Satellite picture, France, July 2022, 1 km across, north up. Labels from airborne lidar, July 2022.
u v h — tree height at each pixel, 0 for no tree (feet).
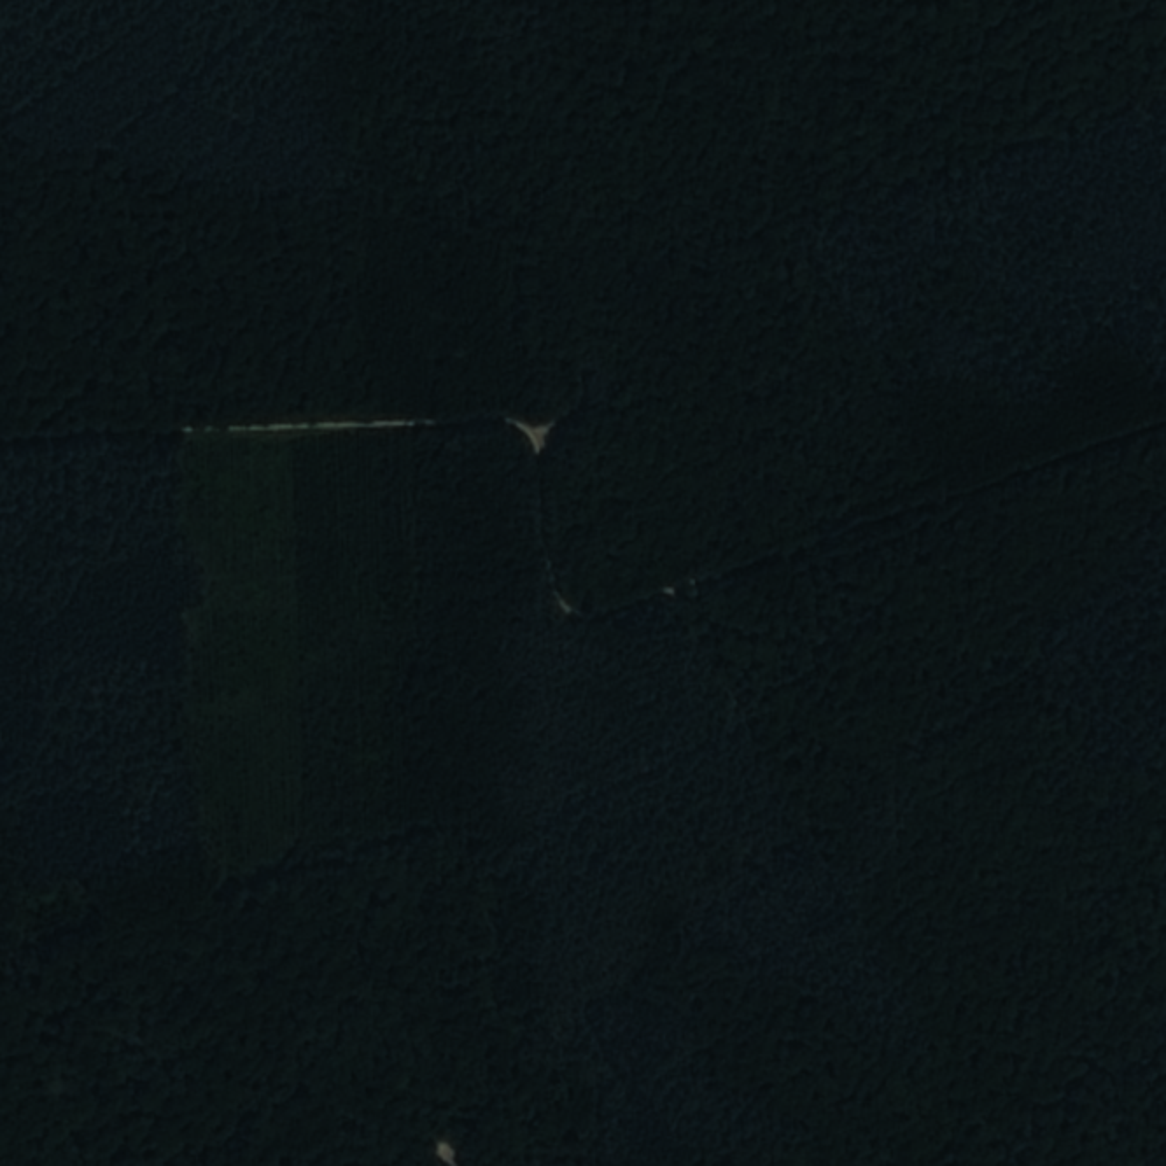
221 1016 98
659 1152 74
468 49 72
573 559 55
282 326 72
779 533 51
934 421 61
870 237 91
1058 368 46
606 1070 81
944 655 70
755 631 95
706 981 71
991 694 55
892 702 84
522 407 21
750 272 77
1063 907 74
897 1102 89
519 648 77
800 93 64
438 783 49
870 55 55
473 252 53
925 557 77
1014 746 65
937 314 78
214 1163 85
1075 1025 73
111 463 110
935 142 66
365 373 61
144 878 102
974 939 87
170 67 78
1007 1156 89
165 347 87
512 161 54
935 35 73
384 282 37
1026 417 58
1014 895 72
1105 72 76
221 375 85
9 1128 78
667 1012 73
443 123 79
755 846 87
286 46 90
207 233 74
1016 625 70
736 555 59
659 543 69
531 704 68
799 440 68
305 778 21
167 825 89
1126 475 75
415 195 46
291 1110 73
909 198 97
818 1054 87
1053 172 75
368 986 77
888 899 73
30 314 97
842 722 57
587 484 47
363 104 53
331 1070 83
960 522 77
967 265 62
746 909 67
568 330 61
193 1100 82
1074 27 87
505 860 77
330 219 67
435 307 63
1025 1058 78
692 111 58
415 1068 71
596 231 40
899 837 70
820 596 68
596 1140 90
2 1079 95
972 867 81
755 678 63
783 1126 95
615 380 48
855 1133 87
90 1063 71
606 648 78
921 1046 86
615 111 49
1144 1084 94
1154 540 95
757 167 32
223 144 72
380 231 44
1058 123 85
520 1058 71
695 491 61
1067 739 81
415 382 40
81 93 78
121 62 77
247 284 72
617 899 82
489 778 64
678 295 65
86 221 93
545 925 99
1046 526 74
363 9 62
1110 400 60
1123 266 85
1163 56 80
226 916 72
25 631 83
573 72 40
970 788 62
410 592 20
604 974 87
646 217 59
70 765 108
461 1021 70
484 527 57
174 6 77
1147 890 77
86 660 111
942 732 52
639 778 90
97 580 86
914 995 89
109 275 75
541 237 49
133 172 83
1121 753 93
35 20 84
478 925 76
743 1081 80
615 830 84
